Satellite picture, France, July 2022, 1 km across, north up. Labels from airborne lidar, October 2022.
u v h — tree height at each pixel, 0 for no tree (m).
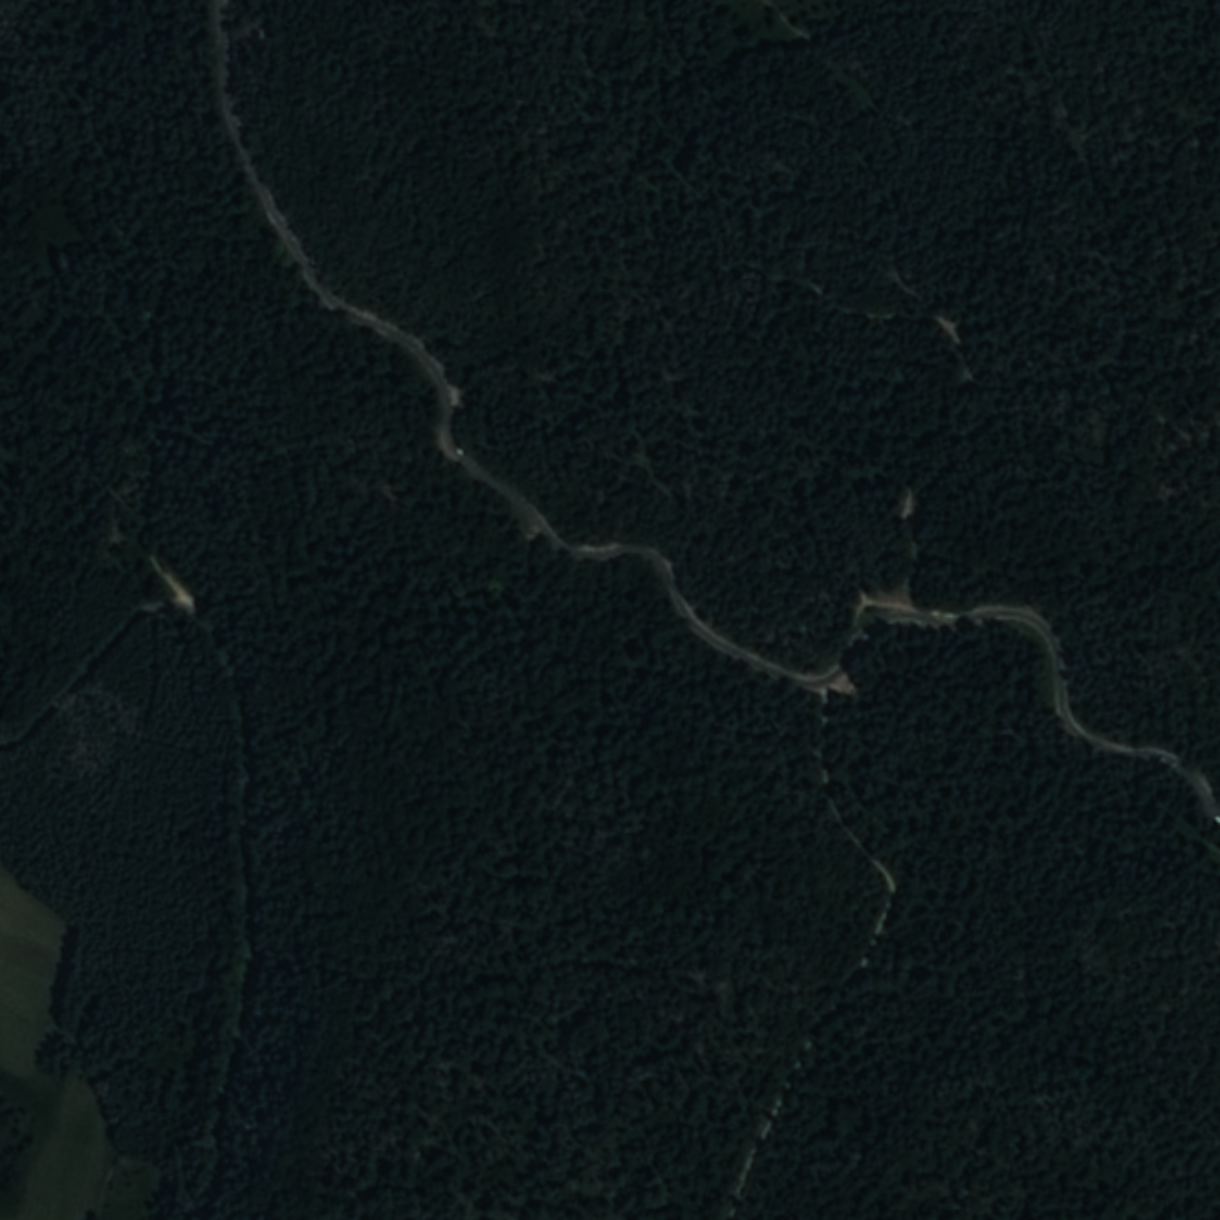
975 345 22
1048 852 28
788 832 21
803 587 24
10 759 24
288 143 15
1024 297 23
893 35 29
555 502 19
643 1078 30
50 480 17
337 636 17
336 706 24
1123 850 24
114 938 25
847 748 28
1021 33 14
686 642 17
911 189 26
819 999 21
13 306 25
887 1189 6
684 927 19
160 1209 12
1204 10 9
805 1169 17
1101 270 27
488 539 15
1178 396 13
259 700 32
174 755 22
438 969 9
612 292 22
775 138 27
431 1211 18
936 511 25
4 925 0
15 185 30
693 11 27
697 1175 9
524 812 30
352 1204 10
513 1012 26
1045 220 19
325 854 22
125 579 19
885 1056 10
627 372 29
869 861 21
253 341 25
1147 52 8
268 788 27
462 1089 22
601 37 24
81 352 25
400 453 20
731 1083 21
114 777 24
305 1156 20
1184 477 16
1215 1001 17
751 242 24
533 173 16
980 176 32
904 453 22
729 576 18
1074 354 32
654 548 10
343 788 22
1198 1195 11
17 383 9
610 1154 20
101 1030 25
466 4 28
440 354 16
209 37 22
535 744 23
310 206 12
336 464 20
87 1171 0
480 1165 23
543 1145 27
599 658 23
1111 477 17
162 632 26
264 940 26
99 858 31
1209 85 20
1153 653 24
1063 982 25
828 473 15
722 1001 19
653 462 11
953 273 25
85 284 28
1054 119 27
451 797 20
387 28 20
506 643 26
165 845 16
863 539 28
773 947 24
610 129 27
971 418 24
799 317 16
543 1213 30
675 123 16
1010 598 10
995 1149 23
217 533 29
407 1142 17
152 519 39
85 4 27
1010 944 25
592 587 23
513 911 20
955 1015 26
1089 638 26
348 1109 22
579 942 24
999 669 29
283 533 23
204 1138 30
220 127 26
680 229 26
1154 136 12
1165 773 36
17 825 25
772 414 35
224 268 22
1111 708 22
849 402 28
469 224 19
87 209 27
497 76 28
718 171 11
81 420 12
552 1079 30
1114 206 30
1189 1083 21
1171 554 36
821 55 21
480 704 22
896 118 27
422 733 23
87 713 29
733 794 15
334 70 22
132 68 31
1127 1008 11
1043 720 27
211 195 21
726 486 26
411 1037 17
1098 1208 15
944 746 10
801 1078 14
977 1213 17
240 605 29
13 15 16
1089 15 22
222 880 23
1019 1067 24
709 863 22
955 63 19
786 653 25
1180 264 20
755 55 25
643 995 27
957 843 10
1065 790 16
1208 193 8
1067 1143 6
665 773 13
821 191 34
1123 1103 15
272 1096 22
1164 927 12
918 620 0
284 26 16
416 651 25
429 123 28
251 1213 19
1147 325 23
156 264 30
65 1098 0
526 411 19
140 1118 26
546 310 7
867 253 29
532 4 13
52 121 32
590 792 21
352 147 18
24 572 13
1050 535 23
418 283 15
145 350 19
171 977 27
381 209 15
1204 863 36
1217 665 18
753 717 30
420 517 13
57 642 16
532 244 17
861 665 25
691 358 24
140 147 30
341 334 12
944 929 7
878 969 11
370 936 25
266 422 27
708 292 25
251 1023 18
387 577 17
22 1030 0
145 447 19
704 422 6
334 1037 14
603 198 32
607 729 10
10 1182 17
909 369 33
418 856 20
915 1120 17
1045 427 13
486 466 15
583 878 16
